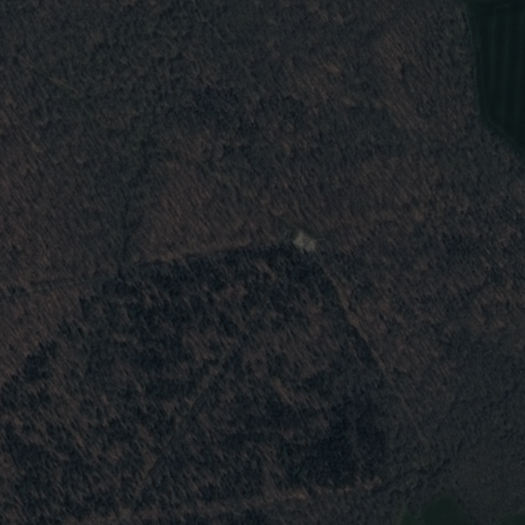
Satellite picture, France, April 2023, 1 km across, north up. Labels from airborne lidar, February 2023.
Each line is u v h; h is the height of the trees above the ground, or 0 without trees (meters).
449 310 23
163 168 24
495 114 0
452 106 28
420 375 23
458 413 21
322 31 20
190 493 19
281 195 23
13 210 24
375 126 25
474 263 20
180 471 23
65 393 24
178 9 20
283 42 18
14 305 22
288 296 23
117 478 22
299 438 23
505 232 25
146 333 22
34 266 25
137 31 23
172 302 23
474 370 23
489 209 27
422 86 27
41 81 26
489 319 26
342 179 23
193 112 24
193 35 23
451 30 26
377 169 29
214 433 19
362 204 26
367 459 24
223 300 19
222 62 24
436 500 16
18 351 17
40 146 28
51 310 24
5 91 25
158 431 26
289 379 23
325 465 19
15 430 22
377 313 25
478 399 22
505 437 8
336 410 21
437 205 21
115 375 22
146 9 24
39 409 21
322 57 22
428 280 26
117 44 7
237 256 23
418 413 24
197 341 24
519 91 0
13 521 19
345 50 23
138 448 25
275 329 21
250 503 22
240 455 21
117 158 27
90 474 23
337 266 25
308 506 7
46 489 19
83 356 22
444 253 19
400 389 24
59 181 27
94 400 24
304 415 23
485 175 22
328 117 26
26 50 24
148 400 24
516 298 25
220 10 17
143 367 17
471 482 12
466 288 23
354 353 25
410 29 17
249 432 19
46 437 22
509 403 24
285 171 22
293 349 24
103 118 29
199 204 23
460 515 0
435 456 21
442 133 26
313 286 22
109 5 27
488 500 14
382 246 20
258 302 8
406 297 21
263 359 22
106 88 25
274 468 19
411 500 18
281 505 23
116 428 23
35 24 25
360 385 24
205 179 27
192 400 21
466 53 23
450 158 24
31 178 25
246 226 25
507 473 10
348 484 23
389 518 17
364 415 18
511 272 25
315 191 27
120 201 27
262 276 24
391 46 27
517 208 22
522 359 22
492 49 0
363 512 25
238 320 22
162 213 25
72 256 27
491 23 0
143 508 22
